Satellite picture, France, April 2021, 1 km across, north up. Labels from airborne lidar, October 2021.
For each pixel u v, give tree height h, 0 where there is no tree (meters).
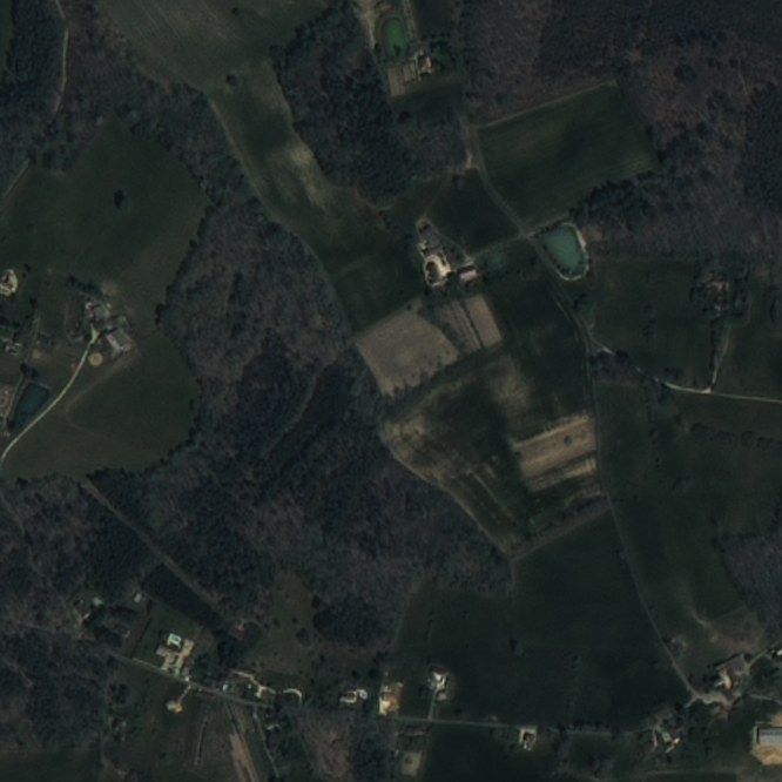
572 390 0
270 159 0
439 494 11
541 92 7
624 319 0
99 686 19
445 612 0
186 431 0
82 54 6
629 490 0
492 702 0
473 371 0
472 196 0
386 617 16
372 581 16
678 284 0
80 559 8
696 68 8
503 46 13
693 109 9
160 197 0
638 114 14
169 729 0
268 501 18
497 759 0
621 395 0
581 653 0
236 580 17
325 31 19
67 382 0
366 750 22
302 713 18
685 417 0
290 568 14
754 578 16
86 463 0
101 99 14
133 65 13
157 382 0
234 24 0
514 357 0
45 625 18
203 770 0
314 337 25
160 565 9
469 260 0
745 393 0
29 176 0
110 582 20
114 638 15
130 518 23
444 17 0
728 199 19
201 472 13
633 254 8
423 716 0
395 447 0
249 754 0
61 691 23
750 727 0
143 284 0
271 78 0
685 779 0
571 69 8
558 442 0
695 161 26
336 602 16
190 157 14
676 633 0
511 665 0
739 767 0
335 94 23
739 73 17
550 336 0
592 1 7
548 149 0
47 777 0
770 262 14
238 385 7
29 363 0
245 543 17
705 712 13
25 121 16
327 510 15
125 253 0
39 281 0
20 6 19
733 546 17
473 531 12
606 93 0
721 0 6
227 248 20
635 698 0
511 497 0
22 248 0
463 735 0
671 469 0
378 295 0
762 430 0
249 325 13
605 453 0
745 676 7
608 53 10
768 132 22
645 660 0
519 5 14
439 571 16
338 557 13
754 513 0
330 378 7
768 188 25
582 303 8
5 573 13
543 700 0
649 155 0
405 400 12
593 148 0
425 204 0
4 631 19
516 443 0
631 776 0
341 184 8
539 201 0
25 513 15
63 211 0
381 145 21
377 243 0
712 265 13
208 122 25
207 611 13
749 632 0
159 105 11
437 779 0
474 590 15
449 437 0
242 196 24
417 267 0
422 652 0
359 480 19
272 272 17
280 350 7
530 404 0
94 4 23
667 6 6
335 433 19
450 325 9
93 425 0
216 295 20
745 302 7
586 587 0
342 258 0
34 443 0
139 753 0
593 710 0
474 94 8
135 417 0
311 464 16
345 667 0
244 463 20
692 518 0
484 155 0
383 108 17
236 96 0
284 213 0
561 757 16
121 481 21
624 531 0
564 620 0
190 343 19
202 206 0
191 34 0
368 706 10
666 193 17
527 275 7
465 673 0
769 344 0
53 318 0
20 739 27
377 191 26
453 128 18
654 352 0
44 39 23
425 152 14
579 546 0
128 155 0
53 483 16
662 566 0
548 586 0
